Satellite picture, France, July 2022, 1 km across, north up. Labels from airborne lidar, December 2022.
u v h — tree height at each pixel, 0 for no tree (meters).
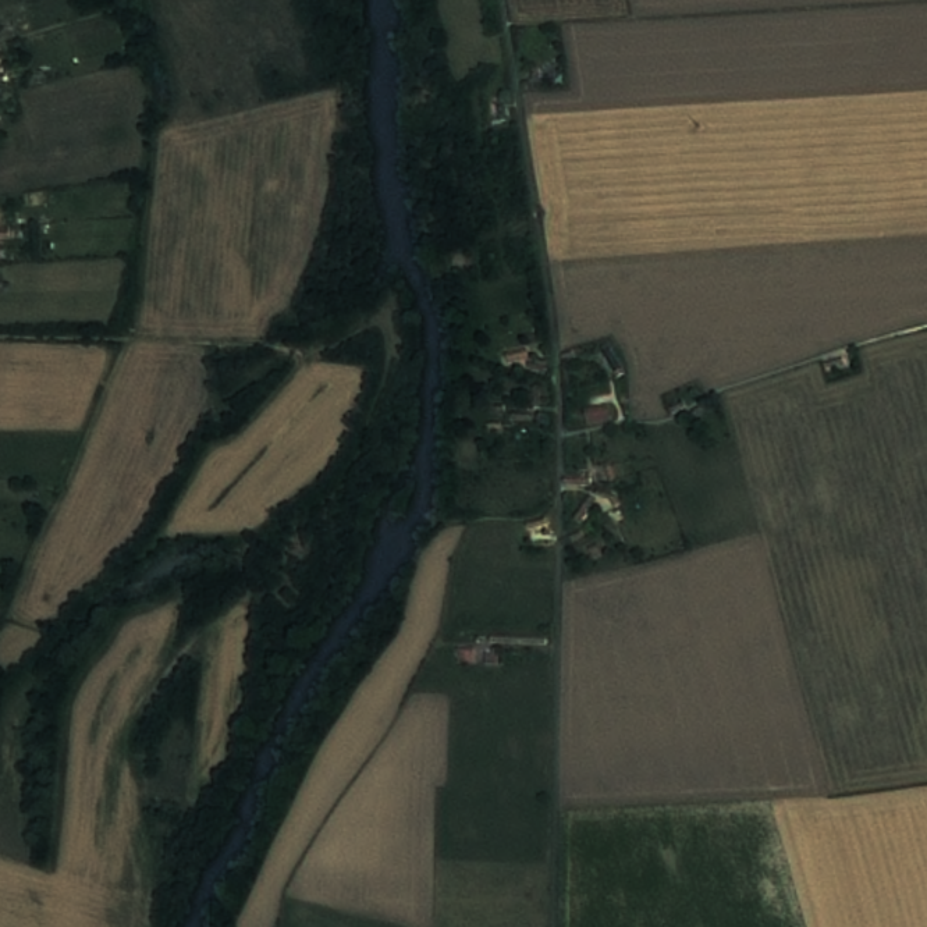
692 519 0
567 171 0
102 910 0
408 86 13
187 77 0
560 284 0
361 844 0
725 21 0
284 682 25
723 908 0
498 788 0
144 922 0
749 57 0
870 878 0
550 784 0
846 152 0
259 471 0
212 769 0
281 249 0
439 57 8
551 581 0
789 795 0
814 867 0
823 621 0
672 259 0
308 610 7
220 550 25
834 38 0
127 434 0
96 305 0
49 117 0
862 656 0
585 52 0
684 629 0
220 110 0
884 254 0
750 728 0
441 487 9
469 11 0
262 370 0
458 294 20
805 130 0
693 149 0
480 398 16
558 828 0
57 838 0
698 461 0
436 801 0
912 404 0
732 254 0
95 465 0
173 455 0
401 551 0
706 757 0
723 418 7
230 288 0
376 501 10
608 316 0
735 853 0
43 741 17
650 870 0
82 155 0
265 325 0
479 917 0
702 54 0
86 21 0
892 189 0
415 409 14
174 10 0
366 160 8
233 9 0
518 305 0
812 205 0
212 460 0
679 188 0
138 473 0
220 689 0
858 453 0
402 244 0
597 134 0
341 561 10
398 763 0
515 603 0
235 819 8
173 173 0
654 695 0
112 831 0
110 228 0
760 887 0
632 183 0
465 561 0
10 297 0
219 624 0
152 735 18
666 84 0
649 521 0
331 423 0
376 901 0
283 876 0
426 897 0
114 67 14
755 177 0
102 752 0
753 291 0
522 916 0
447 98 10
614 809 0
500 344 0
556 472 0
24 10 0
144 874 0
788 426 0
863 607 0
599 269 0
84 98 0
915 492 0
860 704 0
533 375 8
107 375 0
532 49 0
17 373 0
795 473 0
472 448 0
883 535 0
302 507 7
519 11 0
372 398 8
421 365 19
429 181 14
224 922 18
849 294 0
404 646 0
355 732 0
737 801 0
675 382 0
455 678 0
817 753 0
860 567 0
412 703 0
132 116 0
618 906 0
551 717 0
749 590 0
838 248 0
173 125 0
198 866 9
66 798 0
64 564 0
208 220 0
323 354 8
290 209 0
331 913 0
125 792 0
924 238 0
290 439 0
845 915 0
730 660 0
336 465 14
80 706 0
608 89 0
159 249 0
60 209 0
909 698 0
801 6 0
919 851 0
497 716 0
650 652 0
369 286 11
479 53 0
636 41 0
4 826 0
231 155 0
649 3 0
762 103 0
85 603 13
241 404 15
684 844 0
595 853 0
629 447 0
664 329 0
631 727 0
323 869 0
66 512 0
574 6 0
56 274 0
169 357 0
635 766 0
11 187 0
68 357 0
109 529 0
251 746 21
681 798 0
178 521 0
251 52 0
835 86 0
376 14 0
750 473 0
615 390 0
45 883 0
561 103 0
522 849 0
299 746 24
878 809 0
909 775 0
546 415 9
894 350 0
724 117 0
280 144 0
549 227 0
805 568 0
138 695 0
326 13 7
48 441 0
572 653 0
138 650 0
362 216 15
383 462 6
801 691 0
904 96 0
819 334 0
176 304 0
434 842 0
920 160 0
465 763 0
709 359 0
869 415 0
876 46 0
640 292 0
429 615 0
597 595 0
